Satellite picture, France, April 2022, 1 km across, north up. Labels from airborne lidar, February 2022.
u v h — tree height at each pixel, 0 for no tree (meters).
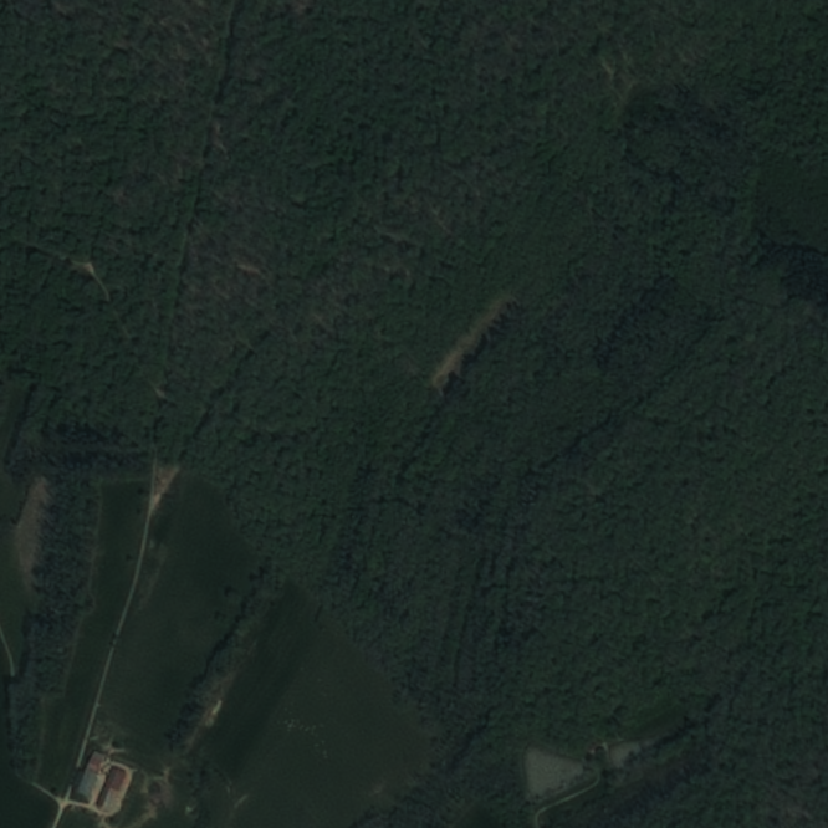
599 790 0
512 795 23
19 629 0
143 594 0
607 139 28
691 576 28
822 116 17
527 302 24
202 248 26
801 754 27
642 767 23
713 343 25
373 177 26
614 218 26
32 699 19
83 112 26
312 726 0
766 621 24
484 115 21
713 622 22
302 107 21
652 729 0
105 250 21
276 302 26
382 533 26
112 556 0
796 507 28
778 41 29
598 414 21
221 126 23
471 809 0
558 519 25
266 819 0
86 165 22
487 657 27
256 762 0
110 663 0
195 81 20
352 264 24
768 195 8
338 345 23
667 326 19
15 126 25
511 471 25
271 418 26
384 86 26
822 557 22
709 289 23
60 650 26
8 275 26
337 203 25
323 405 26
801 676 24
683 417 25
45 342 21
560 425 21
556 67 30
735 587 24
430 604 20
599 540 27
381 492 27
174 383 21
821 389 26
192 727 19
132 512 0
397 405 27
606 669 29
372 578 27
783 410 25
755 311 25
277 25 26
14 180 20
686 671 24
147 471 24
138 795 0
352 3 21
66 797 0
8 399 20
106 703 0
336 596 22
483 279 26
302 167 26
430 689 25
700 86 29
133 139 26
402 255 23
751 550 25
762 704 28
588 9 30
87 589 23
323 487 22
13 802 0
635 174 28
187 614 0
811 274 26
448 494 26
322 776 0
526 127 26
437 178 25
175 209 26
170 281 22
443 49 23
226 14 24
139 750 0
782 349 26
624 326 11
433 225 25
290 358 25
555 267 25
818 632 21
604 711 28
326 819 0
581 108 29
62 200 24
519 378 26
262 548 21
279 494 27
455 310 28
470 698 17
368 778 0
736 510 25
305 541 29
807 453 25
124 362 23
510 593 22
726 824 26
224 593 0
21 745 24
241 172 25
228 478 20
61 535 34
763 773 32
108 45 23
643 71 28
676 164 8
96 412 27
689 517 26
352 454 25
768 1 33
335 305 26
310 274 25
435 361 28
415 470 21
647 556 28
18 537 0
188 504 0
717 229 22
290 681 0
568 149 23
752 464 26
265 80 25
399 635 24
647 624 30
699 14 29
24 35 27
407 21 21
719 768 26
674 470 23
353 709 0
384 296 22
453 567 18
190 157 29
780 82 23
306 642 0
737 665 32
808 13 26
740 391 28
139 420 25
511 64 30
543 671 27
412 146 27
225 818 0
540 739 21
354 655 0
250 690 0
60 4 21
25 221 29
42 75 23
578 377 27
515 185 27
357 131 27
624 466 26
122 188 21
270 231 30
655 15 31
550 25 27
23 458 27
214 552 0
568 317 23
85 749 0
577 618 27
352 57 21
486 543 19
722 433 25
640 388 22
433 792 22
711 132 34
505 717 19
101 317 25
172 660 0
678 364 14
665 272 24
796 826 29
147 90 25
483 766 24
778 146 25
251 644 0
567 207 30
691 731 13
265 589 18
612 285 24
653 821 25
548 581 28
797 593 20
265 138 20
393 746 0
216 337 25
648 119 27
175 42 28
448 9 22
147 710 0
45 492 0
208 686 21
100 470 29
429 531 27
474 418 10
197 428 20
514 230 26
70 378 29
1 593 0
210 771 12
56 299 23
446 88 26
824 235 9
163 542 0
